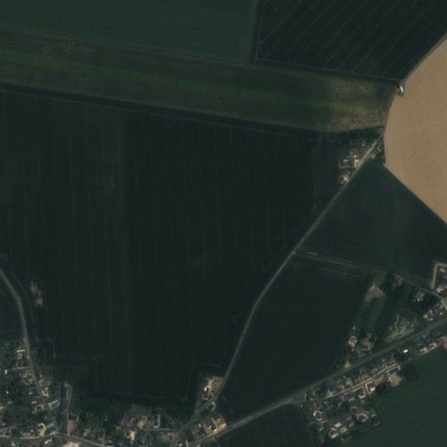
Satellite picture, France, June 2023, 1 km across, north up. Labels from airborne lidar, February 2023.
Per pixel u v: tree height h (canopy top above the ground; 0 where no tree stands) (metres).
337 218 0
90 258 0
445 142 0
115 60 0
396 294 8
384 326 0
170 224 0
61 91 0
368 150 0
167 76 0
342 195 0
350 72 0
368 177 0
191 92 0
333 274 0
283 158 0
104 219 0
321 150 0
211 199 0
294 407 0
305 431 0
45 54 0
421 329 0
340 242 0
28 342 0
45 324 0
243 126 0
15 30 0
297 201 0
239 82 0
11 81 0
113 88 0
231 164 0
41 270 0
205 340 0
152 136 0
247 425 0
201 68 0
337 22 0
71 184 0
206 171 0
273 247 0
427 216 0
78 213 0
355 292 0
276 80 0
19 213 0
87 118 0
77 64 0
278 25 0
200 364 0
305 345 0
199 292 0
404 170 0
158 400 0
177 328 0
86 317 0
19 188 0
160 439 0
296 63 0
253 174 0
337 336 0
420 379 0
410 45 0
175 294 0
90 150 0
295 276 0
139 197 0
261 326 0
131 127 0
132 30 0
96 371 0
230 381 0
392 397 0
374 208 0
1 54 0
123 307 0
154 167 0
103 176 0
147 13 0
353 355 10
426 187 0
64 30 0
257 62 0
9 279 0
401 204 0
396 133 0
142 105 0
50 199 0
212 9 0
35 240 0
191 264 0
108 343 0
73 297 0
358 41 0
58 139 0
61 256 0
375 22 0
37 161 0
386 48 0
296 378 0
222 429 0
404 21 0
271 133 0
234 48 0
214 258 0
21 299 0
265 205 0
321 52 0
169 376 0
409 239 0
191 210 0
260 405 0
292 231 0
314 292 0
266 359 0
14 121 0
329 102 0
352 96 0
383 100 0
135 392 0
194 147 0
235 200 0
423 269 0
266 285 0
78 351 0
